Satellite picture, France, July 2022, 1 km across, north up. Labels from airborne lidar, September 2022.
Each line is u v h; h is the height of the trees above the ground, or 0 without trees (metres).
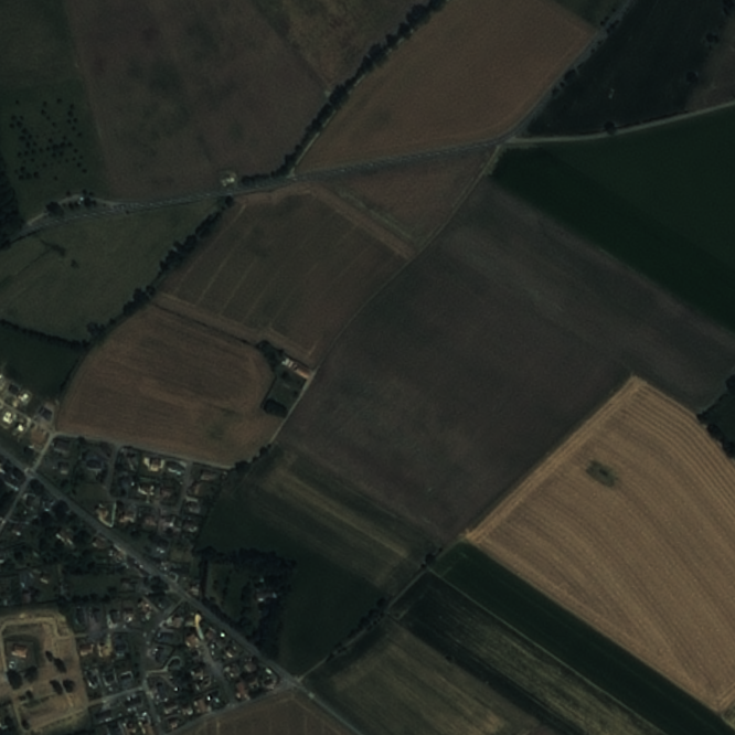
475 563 0
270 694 0
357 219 0
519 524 0
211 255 0
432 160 0
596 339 0
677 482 0
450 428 0
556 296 0
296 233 0
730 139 0
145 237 0
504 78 0
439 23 0
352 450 0
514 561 0
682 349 0
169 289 0
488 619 0
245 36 0
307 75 0
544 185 0
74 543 8
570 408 0
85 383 0
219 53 0
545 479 0
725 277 0
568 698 0
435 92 0
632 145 0
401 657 0
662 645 0
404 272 0
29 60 0
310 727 0
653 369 0
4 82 0
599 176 0
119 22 0
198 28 0
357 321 0
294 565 13
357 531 0
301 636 0
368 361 0
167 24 0
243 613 8
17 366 0
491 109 0
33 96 0
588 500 0
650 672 0
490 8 0
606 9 0
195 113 0
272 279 0
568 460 0
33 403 0
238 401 0
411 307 0
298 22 0
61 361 0
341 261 0
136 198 0
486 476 0
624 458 0
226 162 0
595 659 0
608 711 0
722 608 0
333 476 0
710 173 0
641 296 0
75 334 0
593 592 0
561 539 0
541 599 0
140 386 0
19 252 0
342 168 0
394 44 23
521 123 0
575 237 0
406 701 0
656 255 0
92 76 0
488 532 0
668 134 0
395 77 0
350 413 0
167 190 0
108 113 0
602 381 0
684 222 0
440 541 0
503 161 0
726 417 0
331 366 0
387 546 0
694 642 0
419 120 0
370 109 0
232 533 0
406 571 0
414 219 0
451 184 0
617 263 0
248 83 0
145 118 0
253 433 0
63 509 15
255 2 0
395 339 0
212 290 0
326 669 0
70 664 0
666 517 0
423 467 0
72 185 0
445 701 0
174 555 0
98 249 0
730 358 0
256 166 0
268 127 0
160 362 0
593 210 0
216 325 0
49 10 0
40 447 0
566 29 0
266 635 25
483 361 0
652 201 0
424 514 0
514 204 0
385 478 0
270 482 0
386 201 0
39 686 0
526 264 0
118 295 0
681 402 0
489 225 0
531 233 0
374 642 0
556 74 0
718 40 14
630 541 0
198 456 0
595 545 0
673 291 0
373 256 0
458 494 0
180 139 0
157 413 0
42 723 0
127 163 0
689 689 0
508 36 0
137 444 0
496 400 0
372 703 0
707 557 0
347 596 0
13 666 0
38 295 0
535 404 0
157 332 0
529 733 0
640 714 0
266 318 0
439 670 0
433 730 0
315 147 0
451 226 0
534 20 0
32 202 0
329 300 0
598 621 0
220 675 0
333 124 0
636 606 0
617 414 0
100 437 0
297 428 0
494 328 0
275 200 0
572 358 0
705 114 0
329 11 0
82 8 0
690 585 0
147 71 0
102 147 0
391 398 0
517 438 0
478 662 0
